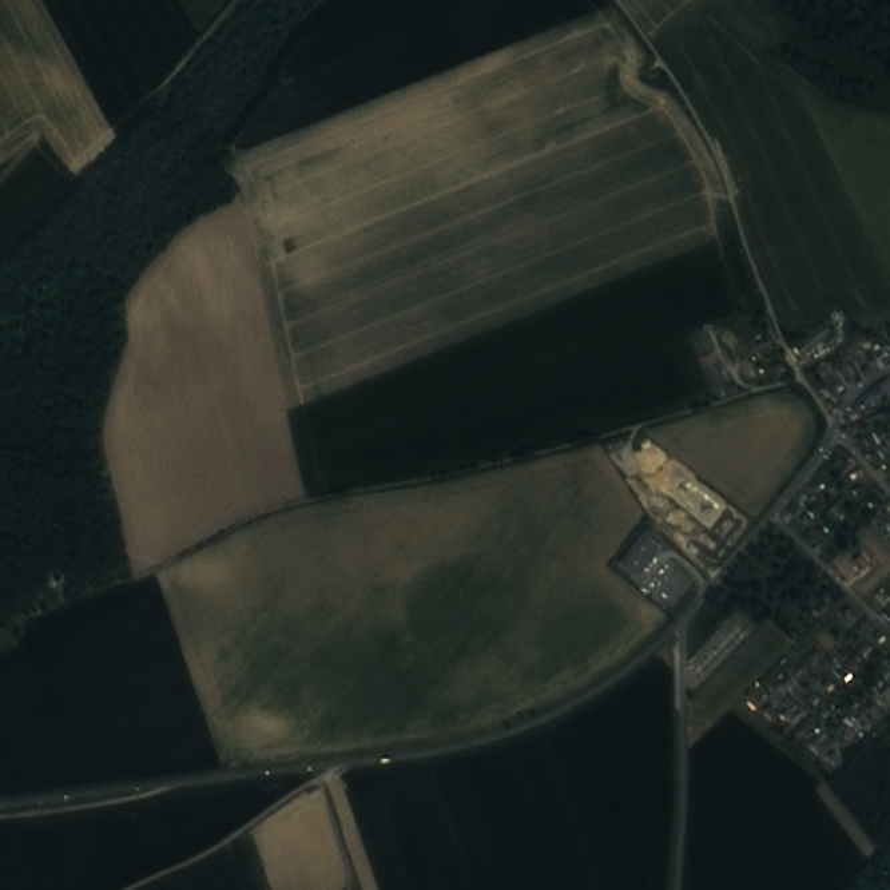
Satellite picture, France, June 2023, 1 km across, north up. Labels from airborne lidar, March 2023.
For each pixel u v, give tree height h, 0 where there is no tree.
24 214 0
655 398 0
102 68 0
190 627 0
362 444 0
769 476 0
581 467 0
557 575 0
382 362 0
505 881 0
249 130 0
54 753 0
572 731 0
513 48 0
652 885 0
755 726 0
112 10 0
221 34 7
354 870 0
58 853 0
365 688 0
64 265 16
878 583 0
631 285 0
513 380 0
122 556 12
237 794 0
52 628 0
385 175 0
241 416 0
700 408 9
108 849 0
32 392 19
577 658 0
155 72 0
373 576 0
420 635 0
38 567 20
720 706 0
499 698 0
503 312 0
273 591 0
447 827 0
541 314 0
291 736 0
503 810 0
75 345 16
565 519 0
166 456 0
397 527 0
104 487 12
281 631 0
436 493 0
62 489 20
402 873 0
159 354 0
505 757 0
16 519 21
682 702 0
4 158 0
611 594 0
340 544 0
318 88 0
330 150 0
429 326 0
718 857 0
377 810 0
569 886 0
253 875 0
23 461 22
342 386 0
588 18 0
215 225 0
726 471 0
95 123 0
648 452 0
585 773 0
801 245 0
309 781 0
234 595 0
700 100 0
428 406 0
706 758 0
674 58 0
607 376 0
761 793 0
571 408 0
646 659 0
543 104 0
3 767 0
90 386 17
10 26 0
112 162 15
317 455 0
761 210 0
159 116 15
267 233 0
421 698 0
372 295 0
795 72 0
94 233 16
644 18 0
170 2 0
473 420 0
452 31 0
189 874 0
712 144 0
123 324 9
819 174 0
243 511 0
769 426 0
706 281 0
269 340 0
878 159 0
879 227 0
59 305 12
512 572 0
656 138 0
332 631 0
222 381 0
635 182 0
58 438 22
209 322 0
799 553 14
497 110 0
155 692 0
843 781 18
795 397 0
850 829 0
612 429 0
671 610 0
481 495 0
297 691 0
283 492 0
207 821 0
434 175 0
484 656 0
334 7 0
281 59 0
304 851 0
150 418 0
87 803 0
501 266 0
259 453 0
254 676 0
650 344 0
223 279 0
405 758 0
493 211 0
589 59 0
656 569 0
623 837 0
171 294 0
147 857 0
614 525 0
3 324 15
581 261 0
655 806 0
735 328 0
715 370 0
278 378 0
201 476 0
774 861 0
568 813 0
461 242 0
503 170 0
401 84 0
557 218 0
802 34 0
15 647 0
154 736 0
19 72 0
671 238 0
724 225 0
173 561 0
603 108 0
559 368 0
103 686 0
